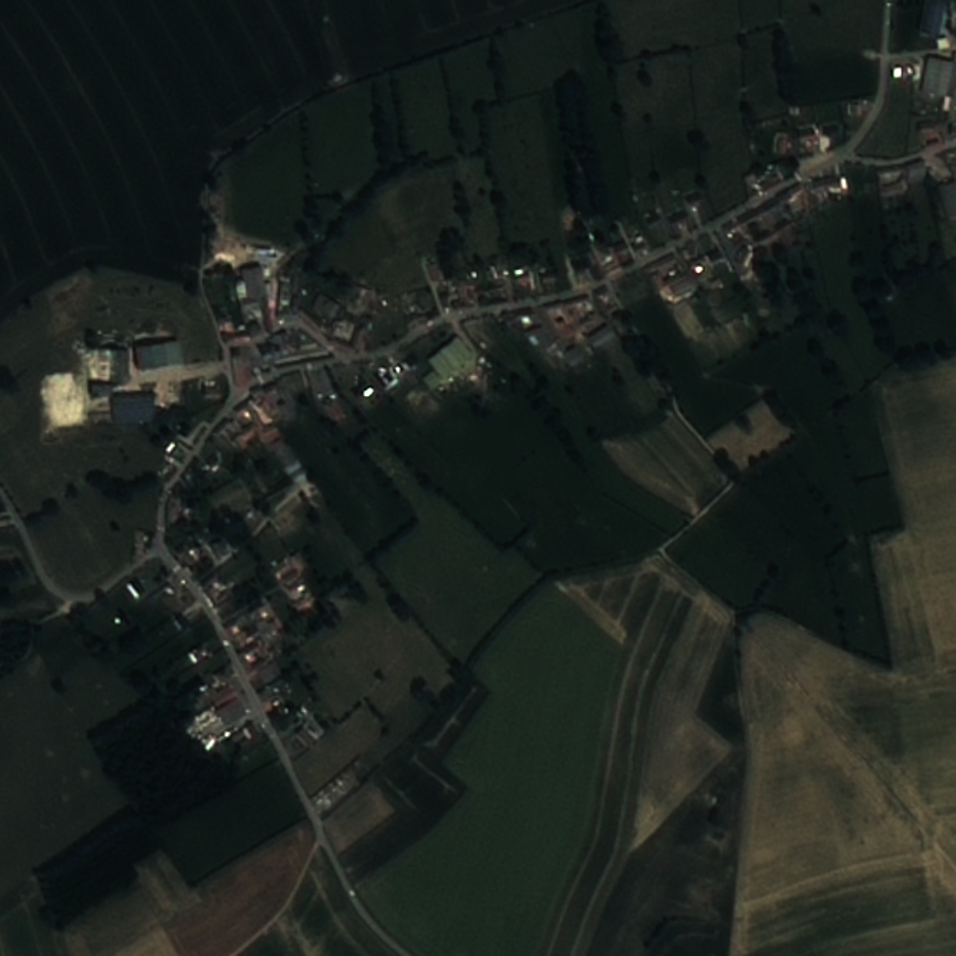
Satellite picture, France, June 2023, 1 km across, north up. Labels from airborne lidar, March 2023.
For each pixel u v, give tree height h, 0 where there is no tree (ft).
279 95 0
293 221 0
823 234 0
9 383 69
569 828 0
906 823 0
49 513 28
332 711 0
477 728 0
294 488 0
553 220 0
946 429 0
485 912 0
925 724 0
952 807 0
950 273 0
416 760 0
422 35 0
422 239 0
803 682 0
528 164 0
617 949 0
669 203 0
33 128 0
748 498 0
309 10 0
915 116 0
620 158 0
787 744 0
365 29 0
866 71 0
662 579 0
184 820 0
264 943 0
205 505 0
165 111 0
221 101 0
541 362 0
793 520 0
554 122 0
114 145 0
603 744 0
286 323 0
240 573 0
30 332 0
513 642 0
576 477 0
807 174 0
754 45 0
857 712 0
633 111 0
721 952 0
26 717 0
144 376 0
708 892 0
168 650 0
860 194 0
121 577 0
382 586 52
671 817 0
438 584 0
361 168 0
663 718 0
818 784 0
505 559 0
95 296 0
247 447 0
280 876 0
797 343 0
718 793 0
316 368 0
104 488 30
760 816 0
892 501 0
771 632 0
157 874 0
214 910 0
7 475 0
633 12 0
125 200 0
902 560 0
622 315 39
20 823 0
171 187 0
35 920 0
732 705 0
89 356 0
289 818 0
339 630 0
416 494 0
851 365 0
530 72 0
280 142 0
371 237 0
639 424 0
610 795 0
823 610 0
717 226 0
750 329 0
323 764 0
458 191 32
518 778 0
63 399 0
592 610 0
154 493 0
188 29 0
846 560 0
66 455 0
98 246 0
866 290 47
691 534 0
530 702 0
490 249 0
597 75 0
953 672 0
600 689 0
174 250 0
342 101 0
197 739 29
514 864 0
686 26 0
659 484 0
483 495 0
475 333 0
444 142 0
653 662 0
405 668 0
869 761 0
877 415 0
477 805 0
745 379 0
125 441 0
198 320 0
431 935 0
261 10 0
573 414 0
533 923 0
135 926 0
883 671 0
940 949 0
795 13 0
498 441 0
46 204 0
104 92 0
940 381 0
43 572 0
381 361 0
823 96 0
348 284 45
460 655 0
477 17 0
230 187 0
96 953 0
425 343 0
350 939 0
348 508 0
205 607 0
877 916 0
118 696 0
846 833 0
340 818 0
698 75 0
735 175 0
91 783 0
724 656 0
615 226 23
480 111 33
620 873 0
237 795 0
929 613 0
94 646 51
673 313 0
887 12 0
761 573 0
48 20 0
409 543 0
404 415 0
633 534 0
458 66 0
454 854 0
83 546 0
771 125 0
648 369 64
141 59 0
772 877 0
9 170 0
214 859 0
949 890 0
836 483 0
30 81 0
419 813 0
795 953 0
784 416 71
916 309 0
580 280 0
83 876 41
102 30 0
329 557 0
